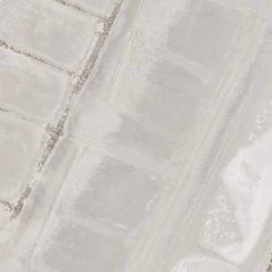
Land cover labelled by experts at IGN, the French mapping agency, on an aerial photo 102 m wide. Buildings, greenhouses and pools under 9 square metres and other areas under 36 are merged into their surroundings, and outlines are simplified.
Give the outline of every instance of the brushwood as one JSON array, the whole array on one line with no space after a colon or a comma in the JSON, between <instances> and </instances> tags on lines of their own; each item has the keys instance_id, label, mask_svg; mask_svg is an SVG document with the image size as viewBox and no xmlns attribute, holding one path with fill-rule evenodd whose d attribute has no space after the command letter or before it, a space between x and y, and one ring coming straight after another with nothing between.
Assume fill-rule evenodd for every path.
<instances>
[{"instance_id":1,"label":"brushwood","mask_svg":"<svg viewBox=\"0 0 272 272\"><path fill-rule=\"evenodd\" d=\"M29 197L31 188L25 189L17 205L0 199L0 203L13 211L11 218L15 219L22 209L23 201Z\"/></svg>"},{"instance_id":2,"label":"brushwood","mask_svg":"<svg viewBox=\"0 0 272 272\"><path fill-rule=\"evenodd\" d=\"M104 24L103 32L99 35L95 49L72 93L78 93L88 79L124 0L119 0L112 16L97 15L97 21Z\"/></svg>"},{"instance_id":3,"label":"brushwood","mask_svg":"<svg viewBox=\"0 0 272 272\"><path fill-rule=\"evenodd\" d=\"M74 71L59 67L0 40L0 46L68 75L73 75Z\"/></svg>"},{"instance_id":4,"label":"brushwood","mask_svg":"<svg viewBox=\"0 0 272 272\"><path fill-rule=\"evenodd\" d=\"M67 117L62 116L56 127L50 124L46 126L51 139L38 163L38 172L44 167L58 137L63 134Z\"/></svg>"}]
</instances>

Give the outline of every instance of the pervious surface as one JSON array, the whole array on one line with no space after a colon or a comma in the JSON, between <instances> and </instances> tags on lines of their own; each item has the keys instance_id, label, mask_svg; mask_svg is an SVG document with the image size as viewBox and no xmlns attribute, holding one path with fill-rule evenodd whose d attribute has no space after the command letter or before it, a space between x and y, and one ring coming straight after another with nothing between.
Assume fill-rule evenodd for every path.
<instances>
[{"instance_id":1,"label":"pervious surface","mask_svg":"<svg viewBox=\"0 0 272 272\"><path fill-rule=\"evenodd\" d=\"M124 0L88 79L78 93L72 93L95 49L99 35L103 32L104 24L97 21L97 15L112 16L119 0L0 0L0 40L59 67L74 71L73 75L68 75L0 46L0 199L17 205L25 189L31 188L29 197L23 201L22 209L15 219L11 218L13 211L0 203L0 272L272 272L272 0ZM50 124L56 127L62 116L67 117L63 134L58 137L44 167L38 172L38 163L51 139L46 126Z\"/></svg>"}]
</instances>

